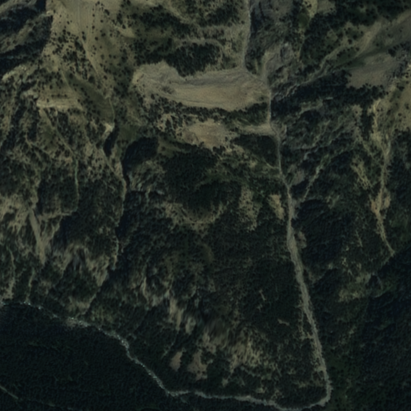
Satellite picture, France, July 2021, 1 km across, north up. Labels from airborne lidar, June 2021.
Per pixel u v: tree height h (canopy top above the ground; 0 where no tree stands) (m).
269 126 0
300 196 6
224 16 18
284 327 19
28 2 6
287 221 6
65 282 9
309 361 7
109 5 0
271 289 13
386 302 13
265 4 0
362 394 9
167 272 10
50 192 8
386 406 11
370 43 0
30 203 8
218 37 8
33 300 13
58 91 0
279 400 11
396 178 11
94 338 14
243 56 0
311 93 20
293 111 9
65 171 11
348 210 12
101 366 25
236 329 9
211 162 9
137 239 8
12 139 9
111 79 0
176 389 8
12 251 11
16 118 8
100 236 11
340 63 0
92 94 0
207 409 19
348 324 16
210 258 0
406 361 12
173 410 19
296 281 10
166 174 10
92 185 11
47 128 0
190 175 17
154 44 8
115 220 8
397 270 15
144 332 18
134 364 8
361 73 0
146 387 23
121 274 10
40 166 10
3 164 10
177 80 0
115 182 6
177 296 8
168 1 0
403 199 8
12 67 7
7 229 9
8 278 8
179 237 13
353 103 8
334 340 7
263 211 9
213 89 0
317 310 12
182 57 7
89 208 11
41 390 28
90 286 6
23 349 31
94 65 0
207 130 0
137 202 21
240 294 12
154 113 10
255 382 13
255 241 12
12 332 17
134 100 0
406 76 6
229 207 6
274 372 8
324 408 9
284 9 0
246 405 12
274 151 13
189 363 7
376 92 9
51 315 7
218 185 17
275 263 10
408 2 0
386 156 0
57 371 25
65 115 11
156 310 8
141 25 0
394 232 10
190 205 11
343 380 6
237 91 0
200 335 8
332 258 13
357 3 8
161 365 10
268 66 0
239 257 13
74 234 9
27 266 6
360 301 8
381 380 16
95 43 0
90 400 31
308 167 12
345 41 0
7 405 29
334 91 10
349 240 10
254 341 9
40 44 8
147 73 0
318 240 10
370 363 9
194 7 7
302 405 15
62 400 29
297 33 9
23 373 28
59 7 0
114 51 0
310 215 8
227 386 6
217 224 12
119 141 8
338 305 13
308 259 7
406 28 0
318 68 17
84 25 0
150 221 15
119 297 15
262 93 0
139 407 8
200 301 7
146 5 0
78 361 23
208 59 14
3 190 8
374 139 0
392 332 11
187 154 12
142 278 6
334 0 7
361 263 9
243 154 6
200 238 7
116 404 25
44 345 7
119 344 10
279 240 13
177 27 8
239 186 14
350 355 10
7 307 7
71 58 9
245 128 0
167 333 13
